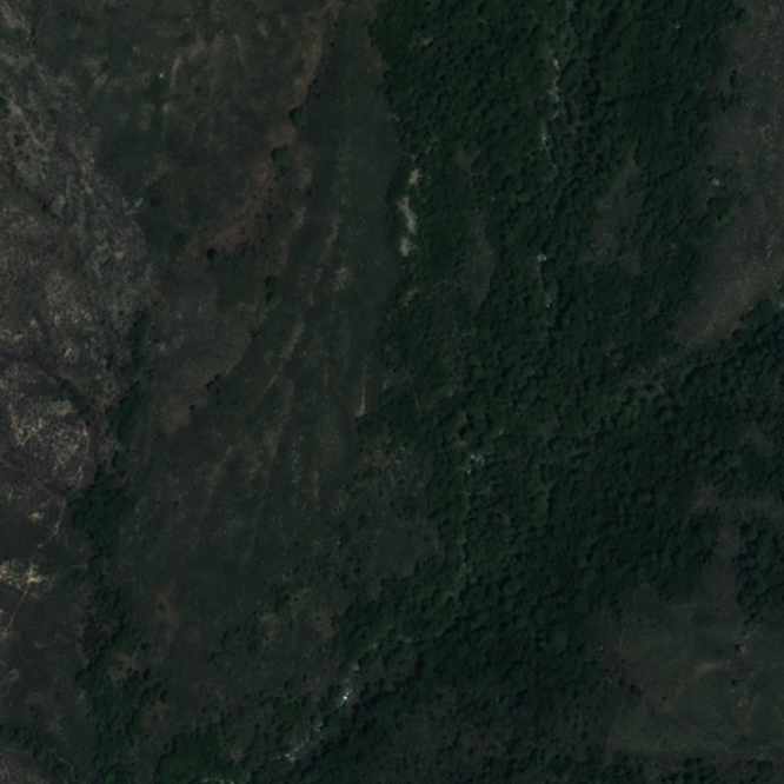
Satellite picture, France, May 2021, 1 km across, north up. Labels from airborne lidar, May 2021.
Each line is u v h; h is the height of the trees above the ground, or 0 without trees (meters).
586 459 23
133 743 10
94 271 0
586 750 6
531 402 22
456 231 10
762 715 0
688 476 12
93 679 12
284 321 0
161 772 26
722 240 0
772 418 10
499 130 23
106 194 0
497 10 23
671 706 0
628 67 16
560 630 24
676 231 13
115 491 8
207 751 19
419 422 10
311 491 0
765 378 7
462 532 20
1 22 0
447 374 8
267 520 0
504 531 22
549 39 7
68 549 0
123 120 0
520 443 16
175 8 0
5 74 0
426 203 9
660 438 8
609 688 7
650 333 9
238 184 0
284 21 0
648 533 11
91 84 0
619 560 10
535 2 18
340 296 0
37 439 0
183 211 0
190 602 0
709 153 0
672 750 0
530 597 10
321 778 20
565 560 12
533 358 13
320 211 0
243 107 0
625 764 7
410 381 6
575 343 25
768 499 0
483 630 25
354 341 0
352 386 0
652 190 11
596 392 20
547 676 21
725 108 8
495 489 11
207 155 0
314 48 0
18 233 0
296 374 0
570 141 14
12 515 0
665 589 8
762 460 9
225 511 0
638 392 26
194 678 0
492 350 28
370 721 8
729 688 0
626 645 0
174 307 0
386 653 9
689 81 16
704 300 0
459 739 6
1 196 0
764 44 0
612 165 25
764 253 0
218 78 0
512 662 11
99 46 0
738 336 22
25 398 0
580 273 15
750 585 9
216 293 0
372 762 9
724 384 16
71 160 0
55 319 0
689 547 17
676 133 13
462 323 7
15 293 0
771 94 0
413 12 8
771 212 0
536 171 9
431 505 10
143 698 8
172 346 0
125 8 0
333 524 7
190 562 0
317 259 0
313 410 0
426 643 20
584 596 19
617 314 8
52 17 0
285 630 0
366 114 0
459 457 31
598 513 20
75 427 0
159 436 0
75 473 0
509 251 24
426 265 10
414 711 8
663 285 9
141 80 0
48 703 0
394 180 7
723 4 9
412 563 0
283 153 21
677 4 14
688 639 0
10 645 0
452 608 7
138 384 12
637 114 15
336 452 0
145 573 0
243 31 0
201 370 0
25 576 0
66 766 13
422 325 11
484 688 8
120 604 20
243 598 0
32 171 0
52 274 0
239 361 0
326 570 6
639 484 6
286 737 9
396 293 6
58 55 0
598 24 19
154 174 0
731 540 0
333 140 0
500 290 23
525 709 19
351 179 0
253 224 0
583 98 7
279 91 0
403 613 25
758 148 0
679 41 9
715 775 6
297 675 7
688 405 11
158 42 0
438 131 21
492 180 8
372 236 0
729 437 10
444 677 19
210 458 0
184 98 0
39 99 0
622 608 8
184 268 0
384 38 11
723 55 6
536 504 23
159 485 0
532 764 20
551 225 18
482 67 12
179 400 0
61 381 8
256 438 0
